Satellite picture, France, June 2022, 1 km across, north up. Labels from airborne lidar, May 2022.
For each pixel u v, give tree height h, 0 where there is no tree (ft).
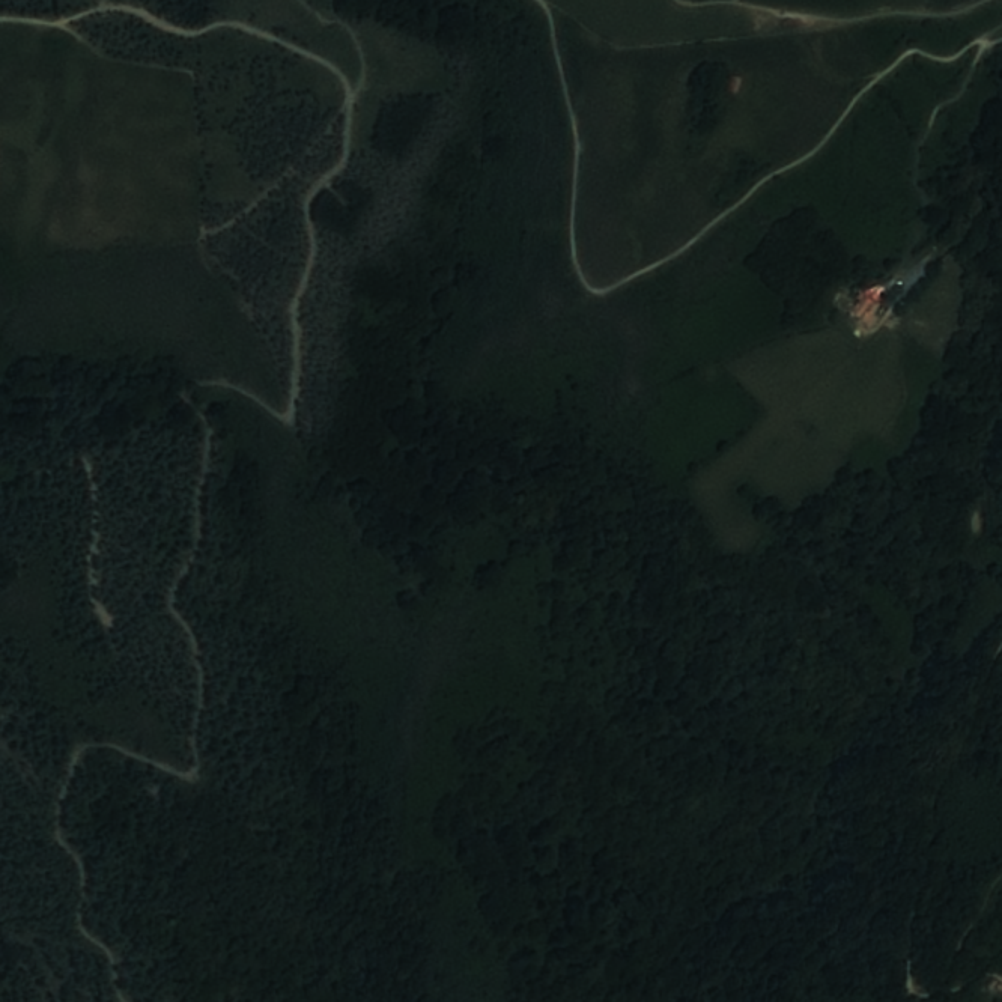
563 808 48
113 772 57
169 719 31
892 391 0
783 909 102
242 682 71
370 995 78
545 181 0
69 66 0
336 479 31
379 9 27
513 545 45
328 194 55
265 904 57
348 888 30
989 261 94
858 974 78
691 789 27
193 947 50
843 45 0
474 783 41
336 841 35
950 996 46
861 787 56
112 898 77
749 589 40
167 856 32
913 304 41
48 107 0
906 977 26
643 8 0
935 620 87
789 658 67
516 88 0
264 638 51
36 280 0
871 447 0
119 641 35
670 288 0
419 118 47
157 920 60
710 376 0
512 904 102
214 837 40
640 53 0
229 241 22
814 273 53
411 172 38
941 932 29
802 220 41
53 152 0
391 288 31
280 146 29
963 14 0
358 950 57
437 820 30
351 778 28
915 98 0
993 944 29
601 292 0
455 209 21
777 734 39
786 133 0
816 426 0
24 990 41
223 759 43
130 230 0
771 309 0
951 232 62
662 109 0
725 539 0
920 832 69
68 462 26
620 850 30
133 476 39
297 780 76
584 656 21
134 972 57
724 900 49
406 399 52
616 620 46
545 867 62
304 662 38
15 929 71
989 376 73
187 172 0
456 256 21
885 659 54
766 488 0
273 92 20
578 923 113
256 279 30
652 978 49
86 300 0
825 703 84
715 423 0
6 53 0
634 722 69
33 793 69
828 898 127
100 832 58
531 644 0
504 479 74
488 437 57
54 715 39
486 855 94
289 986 54
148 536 57
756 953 62
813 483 0
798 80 0
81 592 65
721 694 70
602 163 0
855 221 0
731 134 0
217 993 61
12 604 0
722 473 0
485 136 20
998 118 86
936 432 73
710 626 52
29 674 21
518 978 45
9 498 47
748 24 0
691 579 38
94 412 47
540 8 0
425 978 47
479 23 45
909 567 58
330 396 53
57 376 22
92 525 28
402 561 65
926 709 126
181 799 41
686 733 90
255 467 27
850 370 0
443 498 38
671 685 96
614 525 45
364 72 0
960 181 60
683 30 0
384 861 31
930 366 0
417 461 89
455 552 21
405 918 35
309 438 43
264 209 26
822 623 82
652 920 51
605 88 0
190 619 72
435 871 23
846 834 68
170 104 0
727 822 41
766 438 0
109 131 0
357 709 35
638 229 0
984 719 34
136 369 59
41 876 71
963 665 39
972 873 27
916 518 71
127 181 0
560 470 83
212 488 44
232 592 30
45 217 0
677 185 0
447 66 32
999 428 33
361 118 0
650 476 31
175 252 0
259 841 44
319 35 0
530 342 0
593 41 0
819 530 90
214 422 42
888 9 0
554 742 28
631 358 0
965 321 59
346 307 45
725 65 24
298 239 36
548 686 27
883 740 55
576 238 0
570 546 66
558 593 59
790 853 85
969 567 29
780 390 0
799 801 87
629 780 36
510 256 0
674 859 47
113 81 0
